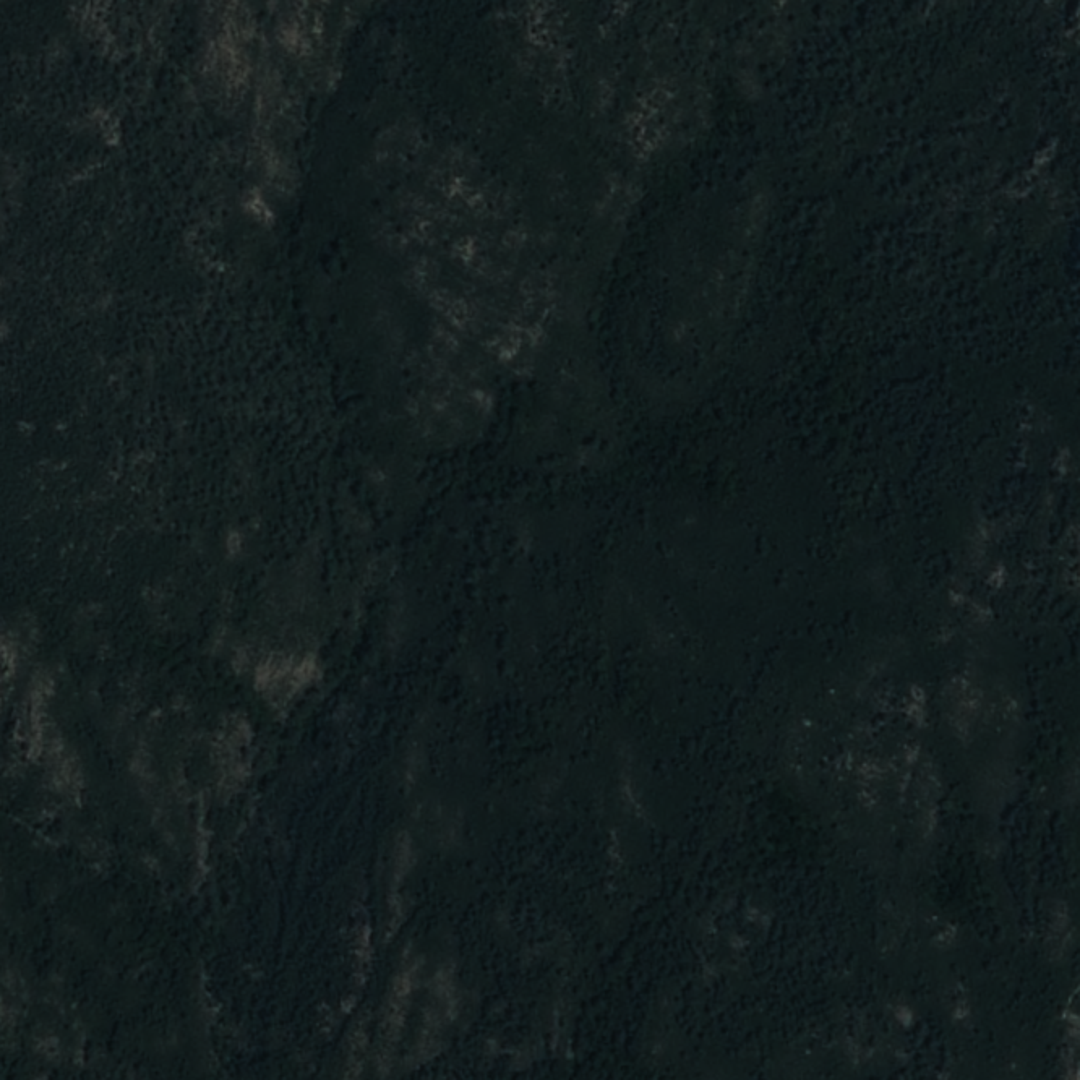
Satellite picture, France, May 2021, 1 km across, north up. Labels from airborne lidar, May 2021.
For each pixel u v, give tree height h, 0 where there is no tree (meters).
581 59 7
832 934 12
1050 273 6
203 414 8
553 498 10
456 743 13
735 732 10
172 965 11
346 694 13
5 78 8
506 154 8
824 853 13
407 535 8
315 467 17
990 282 6
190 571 9
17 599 8
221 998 15
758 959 10
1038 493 9
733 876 14
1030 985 8
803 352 8
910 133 15
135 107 17
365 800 8
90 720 7
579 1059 10
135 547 10
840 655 8
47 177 10
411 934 9
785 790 10
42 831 21
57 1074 15
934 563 11
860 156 8
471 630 10
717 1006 14
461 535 20
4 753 7
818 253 13
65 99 17
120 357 17
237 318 24
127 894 10
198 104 6
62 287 8
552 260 9
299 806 9
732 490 10
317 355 7
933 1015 8
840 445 24
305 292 7
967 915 8
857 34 21
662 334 10
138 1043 11
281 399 19
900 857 6
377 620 10
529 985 18
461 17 9
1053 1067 10
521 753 18
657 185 17
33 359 7
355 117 10
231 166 6
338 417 25
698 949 8
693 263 7
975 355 13
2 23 11
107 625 9
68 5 6
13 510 6
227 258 16
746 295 6
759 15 11
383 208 17
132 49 15
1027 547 9
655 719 7
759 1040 11
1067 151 12
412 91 15
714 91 7
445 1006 0
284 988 11
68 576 10
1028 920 11
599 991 11
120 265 10
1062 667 11
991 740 0
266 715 9
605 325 15
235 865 9
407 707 12
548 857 9
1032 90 9
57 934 10
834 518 9
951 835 7
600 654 7
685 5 17
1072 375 11
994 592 10
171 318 11
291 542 14
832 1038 9
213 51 0
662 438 13
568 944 9
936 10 10
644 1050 13
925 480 13
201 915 8
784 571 10
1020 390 13
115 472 11
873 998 8
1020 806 10
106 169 10
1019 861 13
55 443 9
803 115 13
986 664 0
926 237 13
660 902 20
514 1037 15
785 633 8
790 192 14
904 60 9
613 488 9
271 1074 18
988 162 11
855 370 20
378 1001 8
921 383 16
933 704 7
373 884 11
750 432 7
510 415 10
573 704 9
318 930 11
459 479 23
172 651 9
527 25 8
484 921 11
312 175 7
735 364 7
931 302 15
